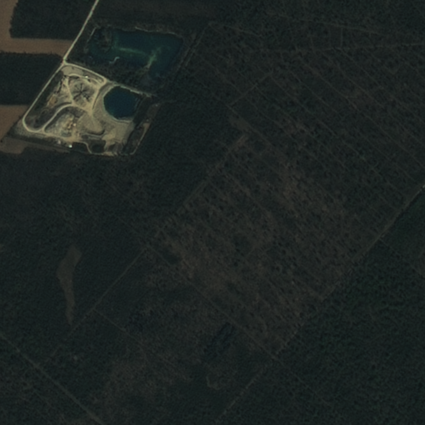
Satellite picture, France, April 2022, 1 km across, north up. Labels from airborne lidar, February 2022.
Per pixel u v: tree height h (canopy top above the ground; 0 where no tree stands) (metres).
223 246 0
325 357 11
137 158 8
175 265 0
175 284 9
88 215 12
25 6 11
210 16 0
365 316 14
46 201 12
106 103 0
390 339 13
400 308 11
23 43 0
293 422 14
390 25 9
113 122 0
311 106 21
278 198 0
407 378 11
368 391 15
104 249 8
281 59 16
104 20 12
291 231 0
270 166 0
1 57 9
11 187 17
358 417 6
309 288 0
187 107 8
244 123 0
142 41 0
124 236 7
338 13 14
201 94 8
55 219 13
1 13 0
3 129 0
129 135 0
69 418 10
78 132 0
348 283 11
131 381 6
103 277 9
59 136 0
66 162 13
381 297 14
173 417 7
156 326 12
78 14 0
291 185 0
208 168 14
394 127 19
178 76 6
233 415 9
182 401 12
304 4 13
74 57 7
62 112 0
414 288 14
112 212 9
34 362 15
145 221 12
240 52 8
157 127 7
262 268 0
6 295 14
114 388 6
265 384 9
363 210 16
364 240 0
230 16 11
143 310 8
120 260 7
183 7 0
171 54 0
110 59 0
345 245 17
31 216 13
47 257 8
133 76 7
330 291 0
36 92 11
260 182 17
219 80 9
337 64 14
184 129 8
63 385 11
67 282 0
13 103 10
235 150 0
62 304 8
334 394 12
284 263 16
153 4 0
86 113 0
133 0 0
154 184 9
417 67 14
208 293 0
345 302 17
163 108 10
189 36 7
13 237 9
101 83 0
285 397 12
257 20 14
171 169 8
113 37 0
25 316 7
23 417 12
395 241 8
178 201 8
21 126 0
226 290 0
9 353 13
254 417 8
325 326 12
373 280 17
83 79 0
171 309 9
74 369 11
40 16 13
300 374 9
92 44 0
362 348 6
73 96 0
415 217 8
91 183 12
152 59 0
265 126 8
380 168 13
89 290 11
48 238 10
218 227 0
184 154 8
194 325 9
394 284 11
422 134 16
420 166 15
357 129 17
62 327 8
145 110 0
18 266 8
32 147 0
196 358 10
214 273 0
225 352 8
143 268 6
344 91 16
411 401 10
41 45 0
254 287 0
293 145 7
